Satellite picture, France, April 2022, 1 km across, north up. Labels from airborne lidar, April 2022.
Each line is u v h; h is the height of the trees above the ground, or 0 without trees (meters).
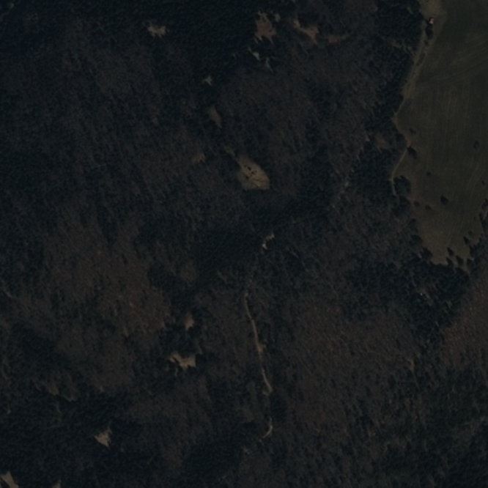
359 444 14
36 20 24
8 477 0
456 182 0
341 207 13
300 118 15
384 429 19
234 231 12
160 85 14
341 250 10
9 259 16
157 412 23
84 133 17
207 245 23
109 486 26
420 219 0
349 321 18
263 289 19
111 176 18
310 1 17
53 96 23
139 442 22
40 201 20
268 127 18
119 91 17
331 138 24
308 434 12
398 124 0
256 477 17
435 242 0
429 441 22
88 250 16
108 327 23
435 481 25
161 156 19
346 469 13
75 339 23
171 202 22
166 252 16
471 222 0
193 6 14
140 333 23
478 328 15
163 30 0
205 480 17
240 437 15
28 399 30
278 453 22
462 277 14
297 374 10
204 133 24
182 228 18
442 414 17
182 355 19
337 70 18
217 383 20
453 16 0
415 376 23
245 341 19
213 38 19
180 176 17
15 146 21
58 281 19
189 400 20
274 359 12
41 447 21
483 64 0
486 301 17
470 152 0
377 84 16
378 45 17
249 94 23
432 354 17
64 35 17
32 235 21
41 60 15
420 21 24
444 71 0
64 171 17
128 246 16
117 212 18
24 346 24
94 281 18
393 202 15
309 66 20
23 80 18
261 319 9
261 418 20
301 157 15
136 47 23
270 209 17
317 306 19
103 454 19
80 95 22
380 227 13
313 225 15
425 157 0
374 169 20
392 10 22
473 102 0
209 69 19
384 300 20
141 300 17
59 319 21
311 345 21
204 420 19
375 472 15
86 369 17
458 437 26
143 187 16
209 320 16
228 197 16
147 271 13
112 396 16
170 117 21
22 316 21
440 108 0
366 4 17
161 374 17
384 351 17
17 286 17
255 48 16
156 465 12
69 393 22
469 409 20
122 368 21
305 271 18
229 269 12
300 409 11
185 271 16
